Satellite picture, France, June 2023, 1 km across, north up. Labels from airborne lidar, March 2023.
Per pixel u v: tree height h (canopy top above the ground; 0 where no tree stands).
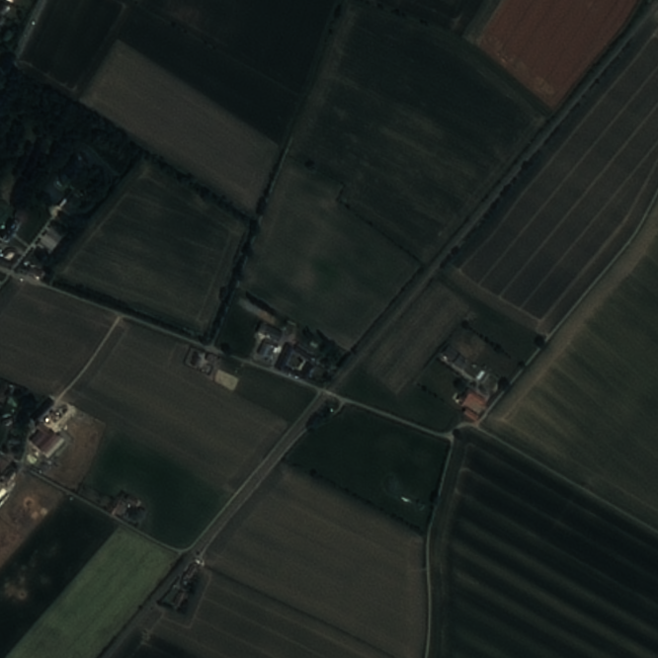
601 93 0
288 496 0
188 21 0
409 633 0
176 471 0
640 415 0
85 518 0
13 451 7
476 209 0
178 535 0
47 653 0
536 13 0
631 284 0
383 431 0
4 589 0
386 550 0
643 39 0
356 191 0
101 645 0
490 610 0
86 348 0
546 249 0
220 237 0
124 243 0
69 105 20
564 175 0
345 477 0
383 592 0
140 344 0
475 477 0
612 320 0
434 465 0
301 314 0
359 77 0
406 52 0
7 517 0
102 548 0
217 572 0
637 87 0
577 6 0
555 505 0
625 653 0
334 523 0
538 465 0
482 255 0
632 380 0
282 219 0
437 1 0
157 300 0
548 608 0
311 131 0
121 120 0
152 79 0
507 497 0
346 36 0
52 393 0
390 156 0
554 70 0
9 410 0
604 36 0
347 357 6
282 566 0
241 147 0
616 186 0
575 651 0
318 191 0
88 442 0
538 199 0
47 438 0
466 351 0
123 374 0
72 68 0
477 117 0
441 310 0
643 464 0
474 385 11
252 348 0
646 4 0
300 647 0
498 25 0
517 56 0
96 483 0
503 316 0
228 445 0
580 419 0
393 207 0
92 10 0
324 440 0
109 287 0
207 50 0
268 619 0
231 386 0
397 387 0
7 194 0
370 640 0
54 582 0
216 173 0
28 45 0
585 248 0
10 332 0
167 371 0
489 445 0
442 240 0
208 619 0
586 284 0
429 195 0
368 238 0
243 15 0
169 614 0
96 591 0
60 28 0
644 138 0
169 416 0
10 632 0
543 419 0
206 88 0
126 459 0
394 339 0
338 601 0
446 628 0
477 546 0
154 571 0
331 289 0
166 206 0
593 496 0
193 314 0
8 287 0
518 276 0
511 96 0
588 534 0
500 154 0
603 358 0
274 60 0
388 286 0
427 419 0
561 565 0
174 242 0
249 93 0
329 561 0
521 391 0
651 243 0
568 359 0
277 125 0
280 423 0
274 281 0
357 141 0
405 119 0
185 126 0
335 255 0
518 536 0
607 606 0
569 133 0
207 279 0
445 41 0
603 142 0
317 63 0
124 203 0
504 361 0
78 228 12
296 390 0
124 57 0
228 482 0
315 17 0
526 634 0
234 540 0
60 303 0
